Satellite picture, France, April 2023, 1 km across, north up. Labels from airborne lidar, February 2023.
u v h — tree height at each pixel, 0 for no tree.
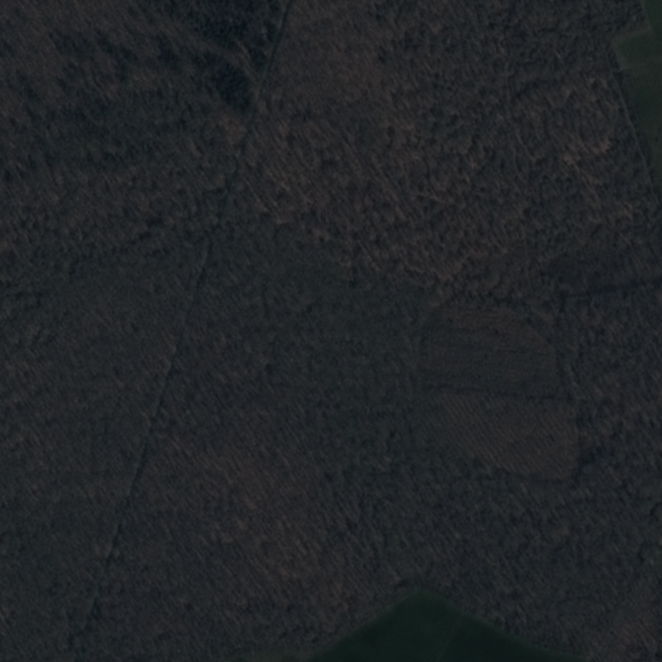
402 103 19
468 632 0
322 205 26
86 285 20
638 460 23
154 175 22
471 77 14
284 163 23
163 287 21
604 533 26
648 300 29
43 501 23
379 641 0
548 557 15
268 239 26
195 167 23
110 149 22
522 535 30
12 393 22
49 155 28
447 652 0
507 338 7
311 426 21
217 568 23
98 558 25
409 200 27
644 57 0
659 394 24
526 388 9
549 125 17
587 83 20
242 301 20
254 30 26
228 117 23
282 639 12
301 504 24
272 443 23
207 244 18
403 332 16
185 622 24
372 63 16
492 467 15
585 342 21
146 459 17
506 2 23
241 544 27
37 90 22
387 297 25
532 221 20
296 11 19
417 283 20
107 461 22
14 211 24
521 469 14
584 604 25
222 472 22
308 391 23
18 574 21
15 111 23
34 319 20
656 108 0
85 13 22
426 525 29
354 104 10
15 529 18
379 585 23
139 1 23
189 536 23
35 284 16
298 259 21
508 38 8
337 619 21
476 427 16
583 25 7
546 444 15
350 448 25
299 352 26
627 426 22
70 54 27
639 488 26
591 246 12
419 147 6
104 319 24
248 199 20
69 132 22
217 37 24
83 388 22
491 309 6
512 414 12
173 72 22
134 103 21
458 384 7
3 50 24
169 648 22
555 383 6
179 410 18
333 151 12
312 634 14
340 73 16
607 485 26
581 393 27
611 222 19
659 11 0
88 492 26
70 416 21
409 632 0
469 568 29
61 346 24
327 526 26
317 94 16
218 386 27
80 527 24
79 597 23
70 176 24
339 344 14
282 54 13
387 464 28
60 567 24
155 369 23
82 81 23
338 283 23
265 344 24
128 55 23
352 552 23
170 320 25
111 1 23
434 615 0
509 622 20
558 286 7
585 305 10
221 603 22
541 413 13
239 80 31
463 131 10
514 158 19
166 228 24
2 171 25
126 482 22
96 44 23
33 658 21
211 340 25
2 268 24
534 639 23
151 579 24
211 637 20
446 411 14
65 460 22
